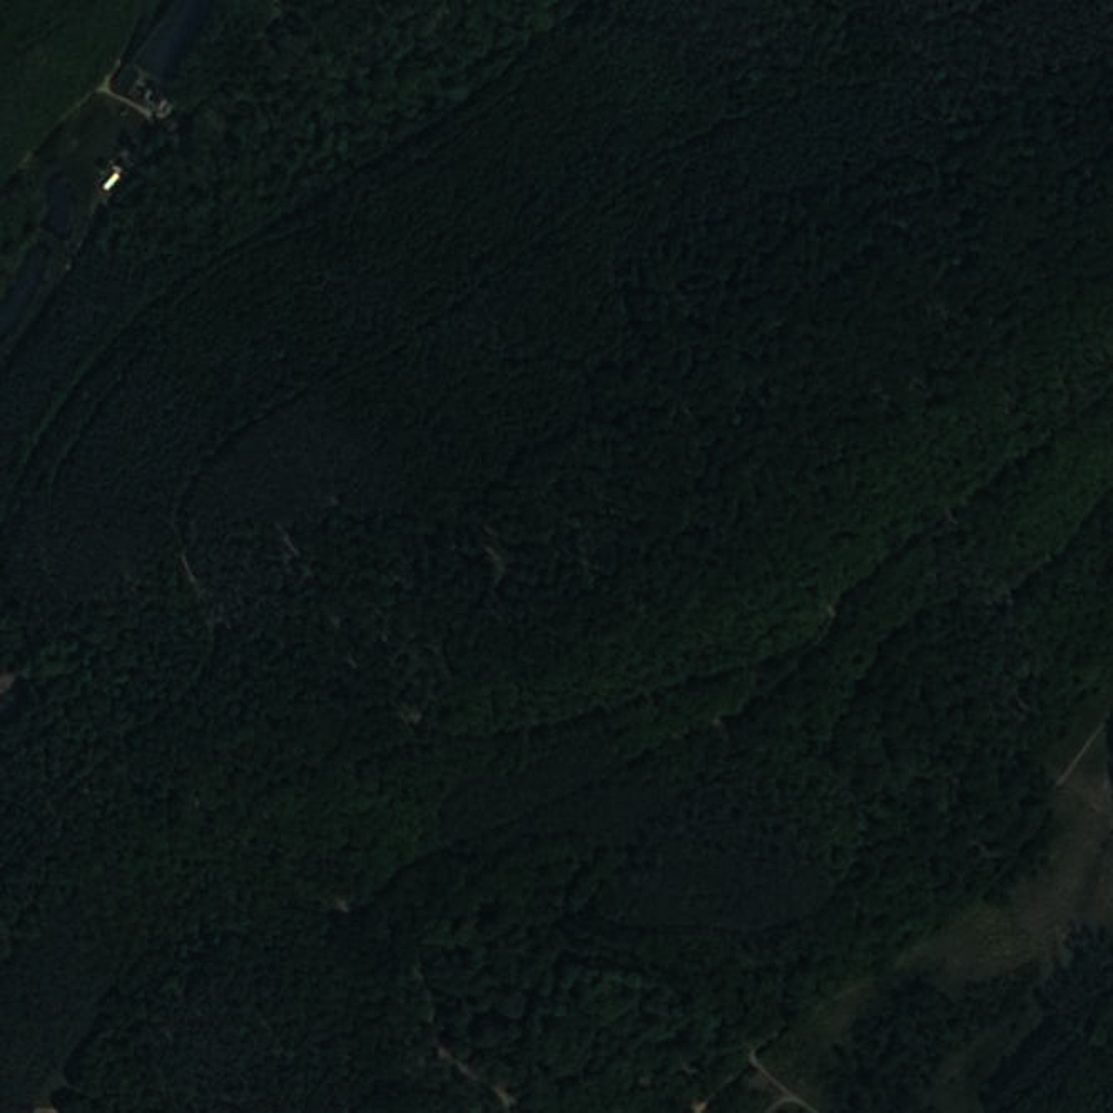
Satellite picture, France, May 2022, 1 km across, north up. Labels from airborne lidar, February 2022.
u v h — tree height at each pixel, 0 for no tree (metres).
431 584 28
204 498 19
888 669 35
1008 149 29
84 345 17
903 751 32
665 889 16
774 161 25
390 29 23
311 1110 25
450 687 27
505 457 22
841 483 27
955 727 33
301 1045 24
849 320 35
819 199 35
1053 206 22
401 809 19
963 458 22
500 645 27
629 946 32
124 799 26
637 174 19
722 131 24
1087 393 21
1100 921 0
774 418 29
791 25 25
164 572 25
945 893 28
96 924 25
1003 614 21
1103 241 26
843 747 34
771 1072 0
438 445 24
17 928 21
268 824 11
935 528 26
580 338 25
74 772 26
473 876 32
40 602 26
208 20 26
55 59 13
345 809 21
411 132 19
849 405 29
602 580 27
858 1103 18
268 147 33
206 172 27
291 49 30
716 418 29
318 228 22
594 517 33
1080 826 0
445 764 21
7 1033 23
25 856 26
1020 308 31
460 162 22
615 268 18
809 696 32
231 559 19
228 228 24
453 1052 31
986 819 27
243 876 22
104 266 15
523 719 15
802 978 25
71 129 0
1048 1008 31
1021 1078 21
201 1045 19
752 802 22
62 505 24
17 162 12
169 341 21
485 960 34
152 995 31
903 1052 19
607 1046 31
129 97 6
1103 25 27
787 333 32
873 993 0
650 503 30
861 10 30
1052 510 15
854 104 22
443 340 26
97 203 0
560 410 23
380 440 17
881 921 29
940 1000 22
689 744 29
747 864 14
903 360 28
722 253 35
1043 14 29
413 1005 33
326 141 26
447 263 25
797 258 30
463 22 27
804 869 16
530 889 32
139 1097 25
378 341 25
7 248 24
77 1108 25
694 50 24
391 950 33
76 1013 20
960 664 33
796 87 21
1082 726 0
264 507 21
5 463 16
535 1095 20
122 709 0
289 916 30
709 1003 19
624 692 20
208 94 23
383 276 21
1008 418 28
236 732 30
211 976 29
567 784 17
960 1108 0
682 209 27
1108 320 25
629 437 34
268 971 30
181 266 19
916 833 30
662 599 30
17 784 32
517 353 18
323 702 28
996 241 33
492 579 18
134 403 29
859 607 26
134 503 25
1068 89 26
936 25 27
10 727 25
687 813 11
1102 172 25
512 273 25
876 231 34
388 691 29
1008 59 30
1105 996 30
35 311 0
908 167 34
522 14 29
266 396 23
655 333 30
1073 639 26
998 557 18
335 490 21
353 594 24
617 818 18
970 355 31
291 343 22
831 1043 0
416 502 21
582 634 27
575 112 27
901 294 33
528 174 18
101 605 28
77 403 18
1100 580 27
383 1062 34
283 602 26
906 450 23
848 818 24
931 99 28
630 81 23
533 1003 32
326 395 23
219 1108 34
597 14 26
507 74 23
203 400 20
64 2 15
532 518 33
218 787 25
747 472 31
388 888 31
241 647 22
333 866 24
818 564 24
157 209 28
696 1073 30
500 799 21
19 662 29
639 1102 29
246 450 19
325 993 25
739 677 22
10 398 19
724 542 31
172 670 32
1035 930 0
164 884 25
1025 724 29
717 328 33
